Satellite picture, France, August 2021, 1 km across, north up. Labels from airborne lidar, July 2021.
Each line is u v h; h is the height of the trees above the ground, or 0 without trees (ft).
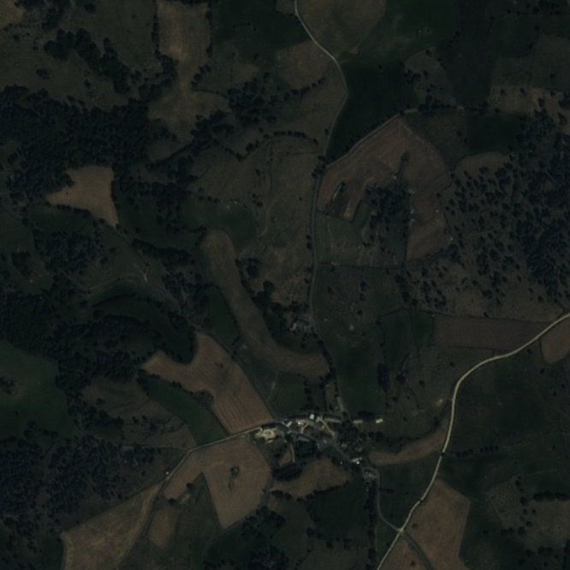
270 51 0
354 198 0
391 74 0
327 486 0
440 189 0
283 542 0
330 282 0
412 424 0
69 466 49
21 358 0
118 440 0
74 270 45
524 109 0
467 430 0
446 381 0
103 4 0
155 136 22
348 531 0
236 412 0
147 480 0
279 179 0
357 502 0
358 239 0
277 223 0
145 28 0
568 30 0
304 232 0
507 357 0
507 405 0
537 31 26
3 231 0
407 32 0
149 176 0
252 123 41
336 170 0
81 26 0
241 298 0
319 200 0
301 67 0
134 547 0
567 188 61
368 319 0
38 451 45
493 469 0
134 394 0
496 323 0
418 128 0
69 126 20
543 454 0
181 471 0
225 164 0
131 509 0
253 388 0
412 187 0
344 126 0
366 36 0
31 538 41
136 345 0
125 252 0
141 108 57
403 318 0
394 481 0
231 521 0
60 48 58
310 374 0
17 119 66
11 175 0
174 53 0
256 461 0
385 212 46
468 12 0
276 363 0
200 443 0
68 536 0
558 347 0
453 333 0
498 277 35
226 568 0
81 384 43
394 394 0
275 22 0
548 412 0
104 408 0
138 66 0
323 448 0
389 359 0
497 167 0
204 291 48
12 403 0
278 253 0
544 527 0
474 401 0
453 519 0
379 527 0
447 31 0
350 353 0
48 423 0
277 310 42
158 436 0
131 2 0
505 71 0
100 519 0
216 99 0
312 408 30
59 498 53
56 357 33
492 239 41
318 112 0
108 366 59
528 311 0
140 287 0
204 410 0
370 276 0
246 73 0
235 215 0
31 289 0
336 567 0
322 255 0
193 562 0
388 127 0
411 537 0
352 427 31
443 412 0
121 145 58
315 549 0
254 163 0
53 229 0
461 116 0
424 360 0
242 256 0
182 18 0
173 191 52
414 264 0
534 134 62
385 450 0
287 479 37
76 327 36
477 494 0
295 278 0
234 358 18
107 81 0
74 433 0
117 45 0
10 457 29
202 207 0
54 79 0
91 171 0
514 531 37
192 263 25
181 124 0
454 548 0
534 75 0
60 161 57
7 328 51
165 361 0
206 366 0
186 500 0
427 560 0
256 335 0
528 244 52
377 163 0
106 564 0
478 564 0
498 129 0
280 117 0
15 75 0
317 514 27
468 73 0
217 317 0
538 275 53
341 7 0
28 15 0
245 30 0
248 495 0
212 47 24
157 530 0
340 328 0
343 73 0
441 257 0
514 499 0
